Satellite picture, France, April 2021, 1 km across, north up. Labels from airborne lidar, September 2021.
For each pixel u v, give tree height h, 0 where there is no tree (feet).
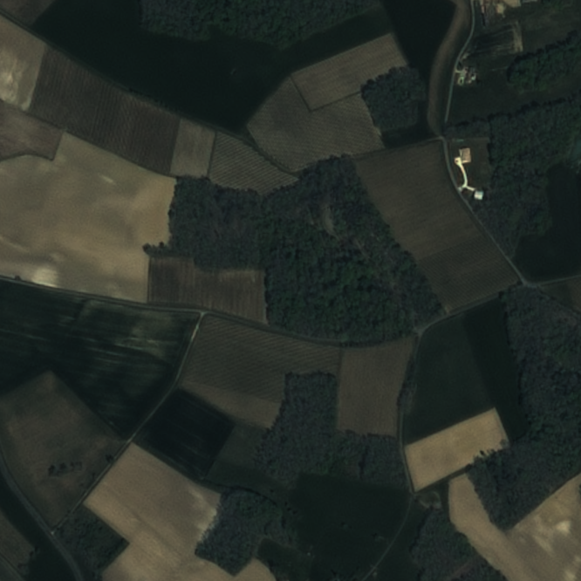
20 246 0
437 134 0
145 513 0
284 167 0
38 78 0
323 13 73
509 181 64
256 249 61
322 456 70
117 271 0
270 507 59
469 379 0
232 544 74
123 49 0
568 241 0
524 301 52
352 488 0
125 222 0
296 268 78
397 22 0
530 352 51
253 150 0
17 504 0
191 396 0
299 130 0
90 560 49
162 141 0
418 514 0
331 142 0
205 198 58
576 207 0
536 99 0
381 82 45
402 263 77
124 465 0
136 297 0
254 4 84
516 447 51
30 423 0
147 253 50
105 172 0
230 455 0
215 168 0
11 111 0
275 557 0
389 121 59
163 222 0
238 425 0
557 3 71
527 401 67
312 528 0
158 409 0
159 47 0
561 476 42
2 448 0
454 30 0
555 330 61
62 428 0
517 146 56
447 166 0
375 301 81
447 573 59
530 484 59
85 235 0
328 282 71
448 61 0
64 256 0
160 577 0
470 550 47
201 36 83
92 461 0
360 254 28
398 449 54
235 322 0
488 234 39
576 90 0
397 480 56
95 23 0
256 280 0
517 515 52
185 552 0
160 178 0
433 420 0
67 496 0
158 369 0
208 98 0
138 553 0
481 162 0
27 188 0
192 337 0
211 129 0
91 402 0
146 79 0
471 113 0
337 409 49
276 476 73
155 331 0
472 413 0
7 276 0
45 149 0
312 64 0
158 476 0
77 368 0
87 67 0
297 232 55
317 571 0
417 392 0
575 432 69
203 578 0
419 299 63
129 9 0
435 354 0
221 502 0
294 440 66
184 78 0
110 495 0
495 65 0
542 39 0
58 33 0
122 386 0
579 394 69
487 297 0
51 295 0
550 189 0
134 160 0
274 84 0
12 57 0
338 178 57
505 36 0
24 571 45
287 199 64
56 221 0
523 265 0
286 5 89
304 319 72
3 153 0
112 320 0
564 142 59
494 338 0
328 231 0
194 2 75
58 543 0
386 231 68
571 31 0
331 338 60
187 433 0
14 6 0
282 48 66
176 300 0
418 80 54
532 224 86
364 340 60
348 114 0
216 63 0
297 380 53
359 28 0
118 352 0
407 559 0
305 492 0
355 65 0
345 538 0
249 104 0
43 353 0
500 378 0
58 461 0
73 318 0
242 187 0
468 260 0
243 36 54
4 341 0
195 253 61
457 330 0
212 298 0
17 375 0
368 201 62
